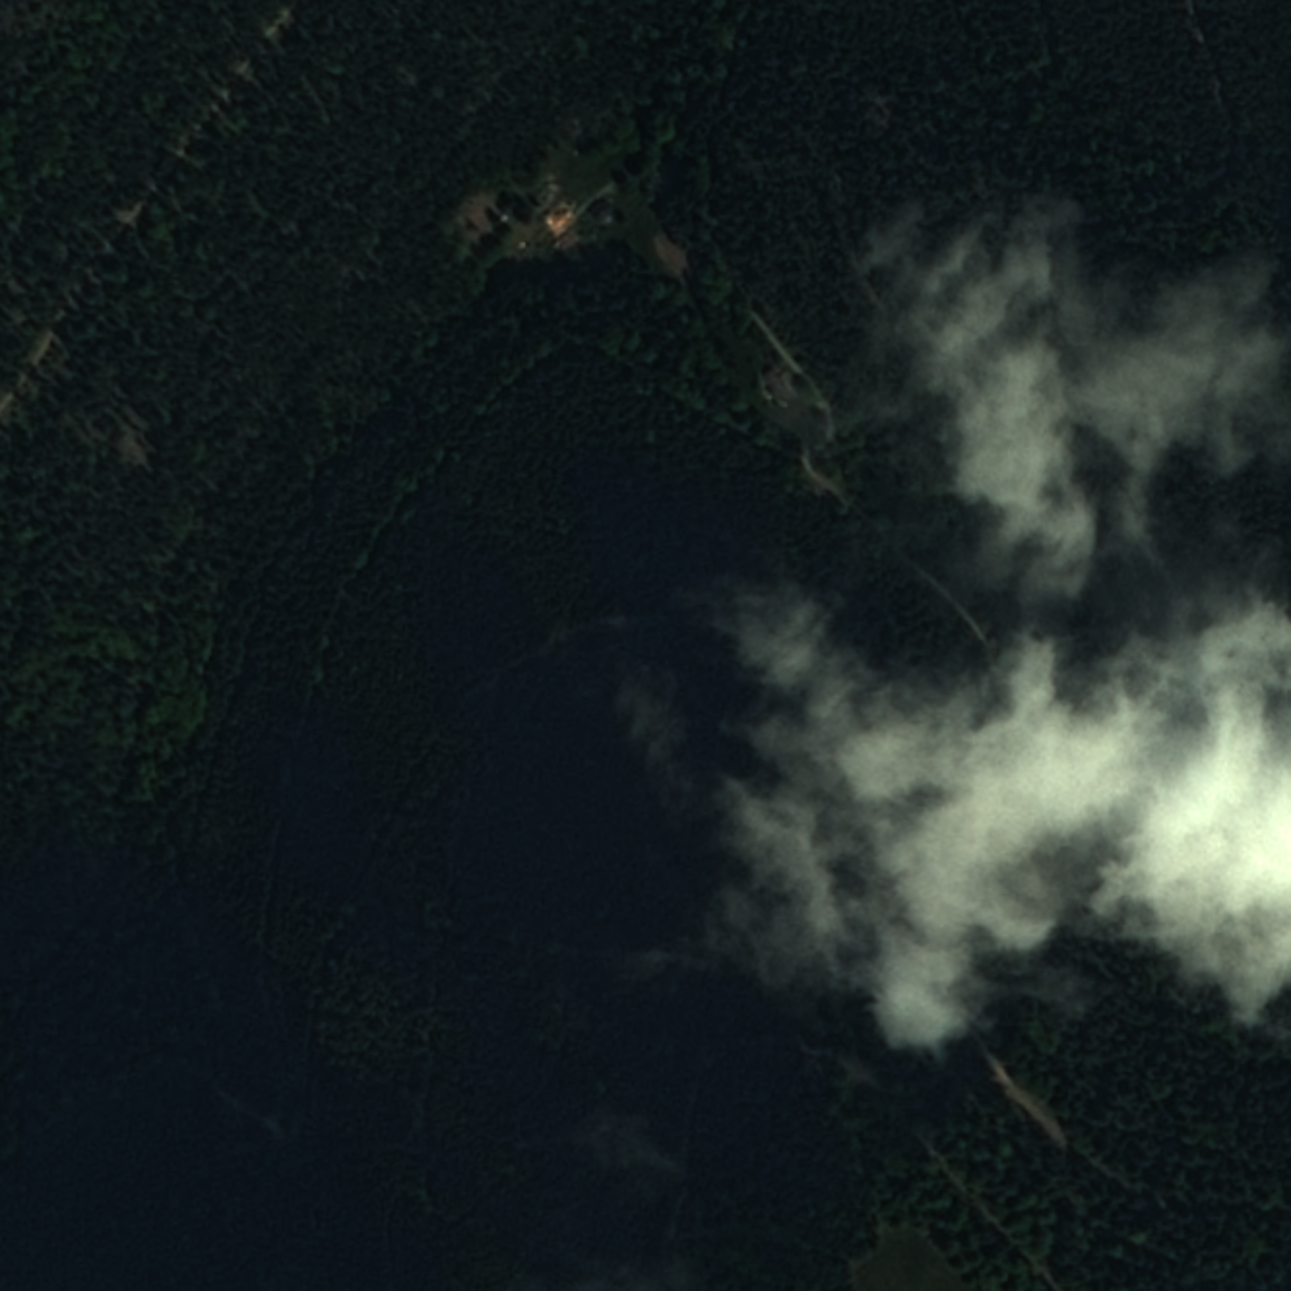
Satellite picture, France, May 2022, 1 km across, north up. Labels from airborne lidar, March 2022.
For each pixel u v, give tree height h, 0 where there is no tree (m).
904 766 25
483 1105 17
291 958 16
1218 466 29
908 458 16
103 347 22
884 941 17
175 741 20
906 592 23
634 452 27
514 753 22
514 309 22
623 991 18
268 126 22
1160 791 30
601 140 24
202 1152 17
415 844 13
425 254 26
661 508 25
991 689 27
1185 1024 21
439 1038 15
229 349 21
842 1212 13
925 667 28
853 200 8
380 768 23
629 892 21
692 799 22
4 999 27
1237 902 0
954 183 34
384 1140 20
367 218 27
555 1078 10
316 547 31
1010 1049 22
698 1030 20
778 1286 12
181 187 29
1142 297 7
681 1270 12
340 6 22
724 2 28
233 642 26
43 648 25
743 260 24
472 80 21
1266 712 27
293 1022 20
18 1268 19
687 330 18
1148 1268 15
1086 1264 28
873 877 22
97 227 17
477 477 25
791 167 33
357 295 26
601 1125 18
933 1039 17
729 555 26
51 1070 13
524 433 24
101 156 19
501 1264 20
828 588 23
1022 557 14
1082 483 30
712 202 21
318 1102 15
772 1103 17
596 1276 14
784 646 22
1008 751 20
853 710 26
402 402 26
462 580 20
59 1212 22
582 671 23
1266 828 30
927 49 14
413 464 26
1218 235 12
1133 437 28
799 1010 20
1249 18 8
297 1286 21
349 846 19
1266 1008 30
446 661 21
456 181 29
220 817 28
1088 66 27
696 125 26
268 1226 22
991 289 9
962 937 23
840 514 18
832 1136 13
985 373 28
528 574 20
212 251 28
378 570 23
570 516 22
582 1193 16
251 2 24
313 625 29
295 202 23
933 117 14
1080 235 38
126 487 22
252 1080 28
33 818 27
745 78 31
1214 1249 20
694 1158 14
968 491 9
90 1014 13
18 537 19
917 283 10
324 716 22
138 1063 18
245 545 27
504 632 23
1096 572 31
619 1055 17
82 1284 18
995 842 22
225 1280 25
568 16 21
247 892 22
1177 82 24
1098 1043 31
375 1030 29
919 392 10
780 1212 11
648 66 28
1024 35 28
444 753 16
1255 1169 16
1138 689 23
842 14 12
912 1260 0
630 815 23
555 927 20
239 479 23
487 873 17
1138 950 11
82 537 30
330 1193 21
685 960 17
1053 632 15
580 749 23
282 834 18
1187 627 32
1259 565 32
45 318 11
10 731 19
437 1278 18
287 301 23
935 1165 11
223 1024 26
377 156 22
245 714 27
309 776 19
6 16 0
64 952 19
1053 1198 10
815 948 20
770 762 24
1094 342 32
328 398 23
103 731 21
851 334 11
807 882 18
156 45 26
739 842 22
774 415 0
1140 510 14
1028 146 15
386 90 26
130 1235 22
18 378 12
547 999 12
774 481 27
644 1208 18
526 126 25
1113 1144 12
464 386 32
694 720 22
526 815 21
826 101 24
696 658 26
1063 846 19
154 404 23
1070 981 28
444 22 23
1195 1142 16
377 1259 20
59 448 29
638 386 22
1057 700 34
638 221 0
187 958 24
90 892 26
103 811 13
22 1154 20
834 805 25
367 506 29
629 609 21
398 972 21
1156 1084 14
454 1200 19
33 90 20
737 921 24
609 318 30
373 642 19
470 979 7
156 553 20
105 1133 21
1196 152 29
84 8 14
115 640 23
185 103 29
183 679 28
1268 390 9
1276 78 10
